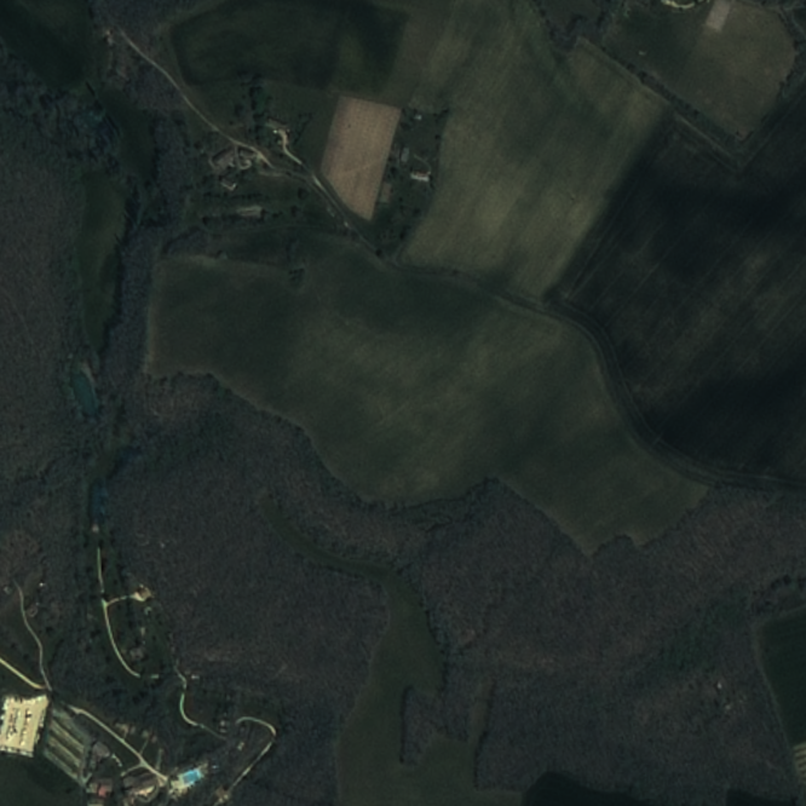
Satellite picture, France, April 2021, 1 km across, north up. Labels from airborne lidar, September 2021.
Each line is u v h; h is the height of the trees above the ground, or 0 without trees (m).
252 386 0
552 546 16
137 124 0
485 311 0
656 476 0
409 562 13
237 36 0
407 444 0
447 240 0
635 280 0
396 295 0
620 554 14
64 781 10
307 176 17
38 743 9
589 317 0
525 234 0
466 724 16
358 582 13
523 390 0
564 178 0
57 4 0
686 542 16
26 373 15
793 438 0
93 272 0
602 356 0
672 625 12
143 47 10
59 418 13
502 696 16
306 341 0
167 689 14
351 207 0
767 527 14
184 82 0
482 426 0
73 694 13
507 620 11
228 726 14
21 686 0
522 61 0
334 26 0
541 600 13
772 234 0
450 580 8
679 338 0
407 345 0
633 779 18
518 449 0
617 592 10
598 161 0
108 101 0
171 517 10
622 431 0
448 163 0
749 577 14
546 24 8
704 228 0
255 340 0
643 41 0
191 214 0
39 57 0
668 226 0
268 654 9
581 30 14
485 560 14
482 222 0
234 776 9
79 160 18
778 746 14
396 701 0
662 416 0
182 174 15
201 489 14
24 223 15
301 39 0
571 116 0
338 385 0
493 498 15
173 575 8
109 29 14
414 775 0
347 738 0
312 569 12
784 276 0
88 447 12
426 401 0
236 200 9
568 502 0
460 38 0
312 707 13
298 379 0
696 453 0
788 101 0
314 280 0
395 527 13
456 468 0
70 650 16
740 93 0
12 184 14
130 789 0
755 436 0
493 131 0
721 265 0
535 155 0
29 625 0
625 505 0
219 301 0
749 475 0
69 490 10
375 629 12
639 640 7
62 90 0
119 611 8
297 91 0
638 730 12
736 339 0
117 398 16
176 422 8
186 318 0
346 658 16
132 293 20
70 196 19
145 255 15
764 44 0
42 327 17
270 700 14
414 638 0
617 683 15
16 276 12
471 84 0
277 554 14
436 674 0
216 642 9
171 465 24
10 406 10
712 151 0
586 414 0
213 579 10
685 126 0
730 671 14
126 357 16
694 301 0
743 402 0
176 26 0
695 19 0
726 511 16
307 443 17
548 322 0
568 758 14
